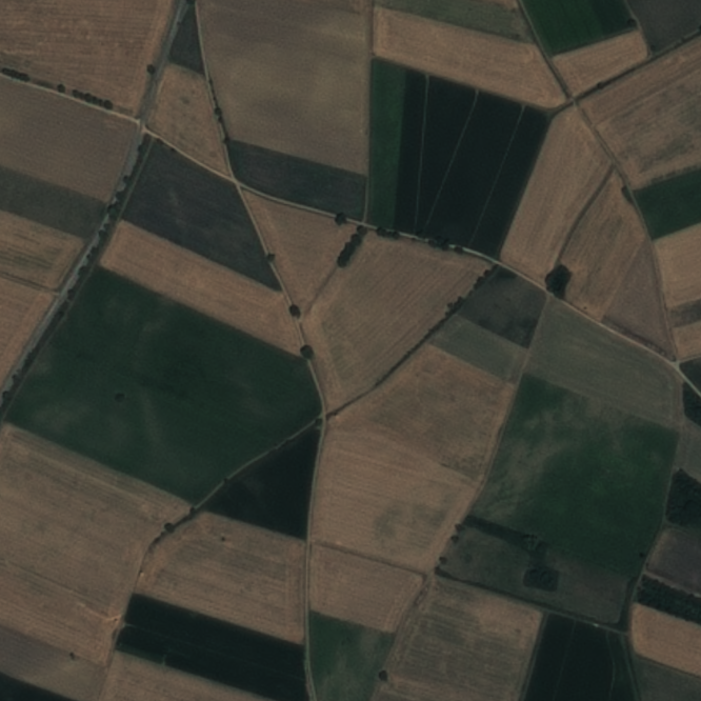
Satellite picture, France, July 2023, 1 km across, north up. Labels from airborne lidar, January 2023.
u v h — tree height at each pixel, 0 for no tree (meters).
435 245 9
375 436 0
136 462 0
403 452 0
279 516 0
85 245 0
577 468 0
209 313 0
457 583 0
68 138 0
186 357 0
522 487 0
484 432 0
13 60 0
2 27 0
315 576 0
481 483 0
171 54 0
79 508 0
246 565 0
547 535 0
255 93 0
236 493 0
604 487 0
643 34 0
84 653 0
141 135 0
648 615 0
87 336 0
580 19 0
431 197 0
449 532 0
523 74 0
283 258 0
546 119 0
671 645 0
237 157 0
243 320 0
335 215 0
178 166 0
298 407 0
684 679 0
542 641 0
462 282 0
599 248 0
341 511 0
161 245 0
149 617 0
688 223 0
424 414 0
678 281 0
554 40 0
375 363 0
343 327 0
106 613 0
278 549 0
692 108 0
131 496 0
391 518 0
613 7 0
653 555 0
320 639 0
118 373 0
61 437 0
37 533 0
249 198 0
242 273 0
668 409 0
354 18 0
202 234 0
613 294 0
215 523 0
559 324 0
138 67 0
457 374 0
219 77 0
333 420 0
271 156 0
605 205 0
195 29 0
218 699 0
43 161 0
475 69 0
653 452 0
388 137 0
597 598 0
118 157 0
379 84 0
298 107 0
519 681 0
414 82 0
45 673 0
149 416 0
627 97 0
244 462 0
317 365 0
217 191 0
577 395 0
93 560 0
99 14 0
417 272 0
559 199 0
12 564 0
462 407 0
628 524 0
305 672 0
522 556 0
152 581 0
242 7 0
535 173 0
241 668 0
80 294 0
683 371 0
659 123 0
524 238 0
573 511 0
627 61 0
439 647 0
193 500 0
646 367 0
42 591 0
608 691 0
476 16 0
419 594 0
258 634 0
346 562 0
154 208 0
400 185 0
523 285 0
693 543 0
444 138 0
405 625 0
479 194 0
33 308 0
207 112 0
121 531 0
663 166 0
